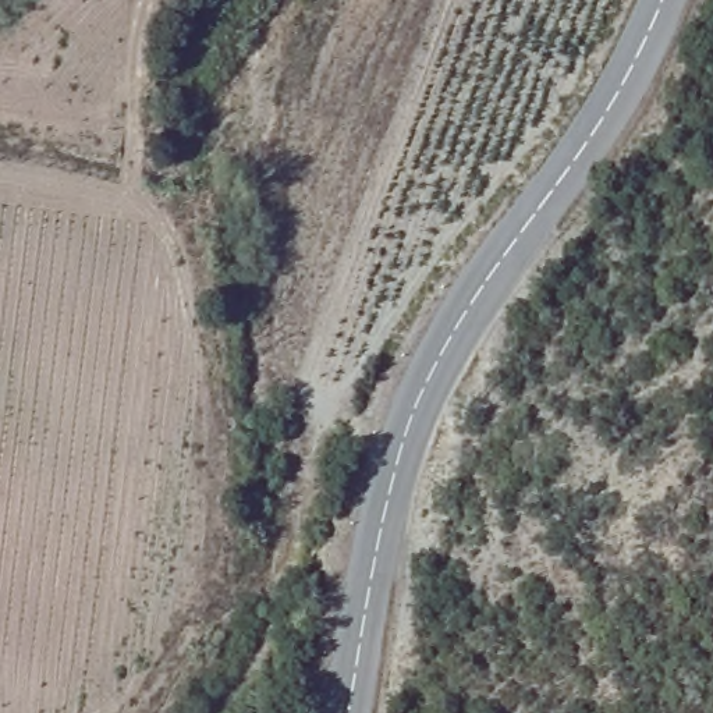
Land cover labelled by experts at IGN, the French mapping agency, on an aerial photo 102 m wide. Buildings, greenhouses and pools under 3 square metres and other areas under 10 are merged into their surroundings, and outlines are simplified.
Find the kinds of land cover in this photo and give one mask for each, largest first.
<instances>
[{"label":"vineyard","instance_id":"1","mask_svg":"<svg viewBox=\"0 0 713 713\"><path fill-rule=\"evenodd\" d=\"M162 0H39L36 11L25 14L11 31H0V125H22L17 136H8L6 142L19 145L25 139H33V153H45V142L53 139L64 153L89 162H109V153L117 145H125L120 178L114 181H103L84 173H67L58 167H39L31 162L0 159V713H117V707L134 696V691L145 680L136 666V655H148L153 660L156 655H162V638L170 629L173 613L187 610L192 604V596L203 588L195 571L203 568L209 479L203 476V471L195 468L192 451L181 448V440L203 443L209 440L212 429L206 359L201 357L198 343V331L203 326L195 318L198 295L192 267H178L175 262V242L184 234L175 228L173 214L167 209L156 206V198L142 175L145 153V142L142 97L148 92V84L153 81L145 64V47L148 25L159 11ZM638 0H434L432 14L423 25V36L429 39V45L423 50H415L412 56L409 78L401 89L393 123L382 139L373 181L362 195L354 228L345 242V253L337 265L334 290L326 295L323 309L315 320L312 343L306 348V359L301 368V382L312 390L306 415L326 432H334L337 421L340 407L354 395V384L362 379L365 365L382 351L384 340L407 312L423 279L434 267H443L462 265L471 248L487 231V226L468 240L465 251L457 259L443 256L446 245H451L465 226L476 220L479 206H485L496 195L504 175H512L518 187L529 178L518 170V164L524 162L526 150L551 128L554 117L560 114V97L574 92L585 97L599 70L610 64L604 61V56L613 45V31L621 28L624 17L632 14Z\"/></svg>","mask_w":713,"mask_h":713},{"label":"brushwood","instance_id":"2","mask_svg":"<svg viewBox=\"0 0 713 713\"><path fill-rule=\"evenodd\" d=\"M39 0H0V31H11L25 14L36 11ZM671 290L680 295V304H671L666 315L649 326L646 334H627L618 348V357L613 362H604L602 368V373L618 376L629 357L643 354L649 343L657 337V331L668 326H680L685 345L694 351H705V370L694 387L677 379L646 401H635L629 393L613 395L607 384L582 379L577 370L565 382H546V365L557 359V348L549 343L551 334L563 329V306L549 309L546 323L538 320L524 326V334L518 337L507 334L499 354V368L487 373L485 390L471 401L465 423H457V432L462 434L457 476L434 487L432 493L434 510L446 515L440 546L434 551L426 549L412 554V607L418 663L407 671L404 688L390 699L387 713H713V276H702L699 284H688L680 276L671 284ZM546 407H551L560 418H571L577 426H593L602 446L618 451L621 473H638V468L657 465L660 448L677 443V426L688 432L696 448L702 451V462L688 465V471L680 476V485L668 487L660 501L638 512L635 524L641 532V554H635L632 565L596 563V529H610V521L624 515V499L621 493L610 490L602 479L590 482L588 487L557 490L554 482L571 468V437L565 432H551L549 426H543V418L538 412ZM487 499H496L499 504L501 529H518V521L526 515L538 518L546 526L543 535H535V543H540L549 554H560L565 568H571L585 582V602H560L554 596L551 582L540 574H532L529 582L507 593L501 602H490L487 588L471 582L468 565L462 560H451V551L460 543L487 546ZM242 331L245 376L242 387L231 390L237 426H228V434L223 437V448H228L231 460V479L228 490L223 493V510L234 524H251L253 538L265 543V551L273 554L270 582H279V590L276 596L240 593V599L231 602L226 613L231 616V621L228 632H223L217 643L214 668H203L198 677H192L170 713H315V699L312 694H306V677L301 666L312 657V638L326 621V610L318 604V577L323 574V565L318 557L320 546L334 535V521H340L343 485L357 465V454L365 437L354 434L351 423L337 421L334 432H326L306 415L312 390L301 382L270 384L267 404H256V318L240 315L234 320ZM393 368V357L382 351L365 365L362 379L354 384V395L357 412L368 409L376 384L384 382L387 370Z\"/></svg>","mask_w":713,"mask_h":713},{"label":"herbaceous vegetation","instance_id":"3","mask_svg":"<svg viewBox=\"0 0 713 713\"><path fill-rule=\"evenodd\" d=\"M434 0H290L284 11L273 19L267 42L251 56L245 72L234 78L231 89H226L223 117L212 131L209 150L181 164H159L145 153L142 175L156 198V206L167 209L173 214L175 228L184 234L175 242V262L178 267H192L198 295L220 287L223 312L231 320L223 329L203 326L198 331V343L201 357L206 359L212 429L209 440L203 443L181 440V448L192 451L195 468L203 471V476L209 479L203 568L195 571L203 588L192 596V604L187 610L173 613L170 629L162 638V655H156L153 660L148 655H136V666L145 680L134 691V696L117 707V713H170L192 677H198L203 668H214L217 643L223 632H228L231 621V616L226 613L231 602L240 599V593L276 596L279 590V582H270L273 554L265 551V543L253 538L251 524H234L223 510V493L228 490L231 479V460L228 448H223V437L228 434V426H237L231 390L242 387L245 376L242 331L234 320L240 315L256 318V404H267L270 384L301 382V368L306 359V348L312 343L315 320L323 309L326 295L334 290L337 265L345 253V242L354 228L362 195L373 181L382 139L393 123L401 89L409 78L412 56L415 50H423L429 45V39L423 36V25L432 14ZM685 72V64L680 58V42L674 39L655 72L649 92L643 95L641 106L629 117L607 159L621 162L641 150L649 136L663 134L668 117L660 103H655L657 92L663 84H668V78H682ZM162 97L153 81L148 84V92L142 97L145 142L164 131L159 120ZM585 106V97L574 92L560 97V114L554 117L551 128L526 150L524 162L518 164V170L529 178L546 164L549 153L560 145L571 120ZM22 125H0V159L31 162L39 167H58L67 173H84L103 181H114L120 178L125 145H117L109 153V162H89L64 153L53 139L45 142V153H33V139H25L19 145L6 142L8 136H17ZM521 195L518 187L512 175H504L496 195L485 206H479L476 220L465 226L451 245H446L443 256L457 259L465 251L468 240L487 226L507 198L510 206L515 203V198ZM593 201L590 187L582 189L557 220V242L565 248L588 231ZM443 279V267H434L423 279L407 312L384 340L382 351L393 357L404 340V331H409V326L415 323L426 295L434 292L437 281ZM507 312L499 309L493 323L482 331V337L465 357L443 401V409L426 437L407 515L404 551L412 554L426 549L434 551L440 546L446 515L434 510L432 493L434 487L457 476L462 434L457 432V423H465L471 401L485 390L487 373L499 368V354L507 334ZM418 663L412 607L401 599L395 604V641L390 646V677L379 696V713H387L390 699L404 688L407 671Z\"/></svg>","mask_w":713,"mask_h":713},{"label":"impervious surface","instance_id":"4","mask_svg":"<svg viewBox=\"0 0 713 713\"><path fill-rule=\"evenodd\" d=\"M688 0H638L632 14L624 17L621 28L613 31V45L604 56V61L610 64L599 70L585 97V106L571 120L560 145L549 153L546 164L529 178L518 187L521 195L515 198V203L510 206L507 198L487 226V231L471 248L462 265L443 267V279L437 281L434 292L426 295L415 323L409 326V331H404V340L393 357V368L387 370L384 382L376 384L368 409L357 412L354 395L340 407L337 421L351 423L354 434L365 437L357 454V465L343 485L340 521H334V535L320 546L318 557L323 565V574L318 577V604L326 610V621L312 638V657L301 666L306 677V694H312L315 699V713H379V696L390 677V646L395 641V604L401 599L412 607V554L404 551L407 515L426 437L443 409V401L465 357L482 337V331L493 323L499 309L507 312L515 301L532 292V284L546 267V262L563 259L565 248L557 242V220L582 189L590 187V167L607 159L629 117L641 106L643 95L649 92L655 72L674 39L682 25V11Z\"/></svg>","mask_w":713,"mask_h":713},{"label":"deciduous trees","instance_id":"5","mask_svg":"<svg viewBox=\"0 0 713 713\"><path fill-rule=\"evenodd\" d=\"M290 0H162L159 11L148 25L145 47V64L153 81L162 97L159 120L164 131L145 142V153L159 164H181L209 150L212 131L223 117L226 89H231L234 78L245 72L251 56L267 42L273 19L284 11ZM674 39L680 42V58L685 64V72L682 78H668V84H663L657 92L655 103H660L668 117L663 134L649 136L641 150L621 162L607 159L590 167V187L593 201L588 231L565 248L563 259L546 262V267L532 284V292L515 301L507 312V334L518 337L524 334V326L538 320L546 323L549 309L563 306V329L551 334L549 343L557 348V359L546 365V382H565L577 370L582 379L607 384L613 395L629 393L632 384L652 382L666 368H671V362L685 365L694 357V351L685 345L680 326H668L657 331V337L649 343L643 354L629 357L618 376L602 373V368L604 362H613L618 357V348L627 334H646L649 326L666 315L671 304H680V295L671 290V284L680 276L688 284H699L702 276H713V0H688L682 11V25ZM195 318L203 326L223 329L231 320L223 312L220 287L198 295Z\"/></svg>","mask_w":713,"mask_h":713},{"label":"bare soil","instance_id":"6","mask_svg":"<svg viewBox=\"0 0 713 713\"><path fill-rule=\"evenodd\" d=\"M705 370V351H694V357L685 365L671 362V368H666L652 382L632 384L629 393L635 401H646L677 379L694 387ZM543 418V426H549L551 432H565L571 437V468L554 482L557 490L588 487L590 482L602 479L610 490L621 493L624 499V515L610 521V529H596V563L632 565L635 554H641V532L635 524L638 512L660 501L668 487L680 485V476L688 471V465L702 462V451L696 448L688 432L677 426V443L660 448L657 465L638 468V473H621L618 451L602 446L593 426H577L571 418H560L551 407H546L538 412ZM487 546L460 543L451 551V560H462L468 565L471 582L487 588L490 602H501L507 593L529 582L532 574H540L551 582L554 596L560 602H585V582L571 568H565L560 554H549L540 543H535V535H543L546 526L538 518L526 515L518 521V529H501L499 504L496 499H487Z\"/></svg>","mask_w":713,"mask_h":713}]
</instances>
